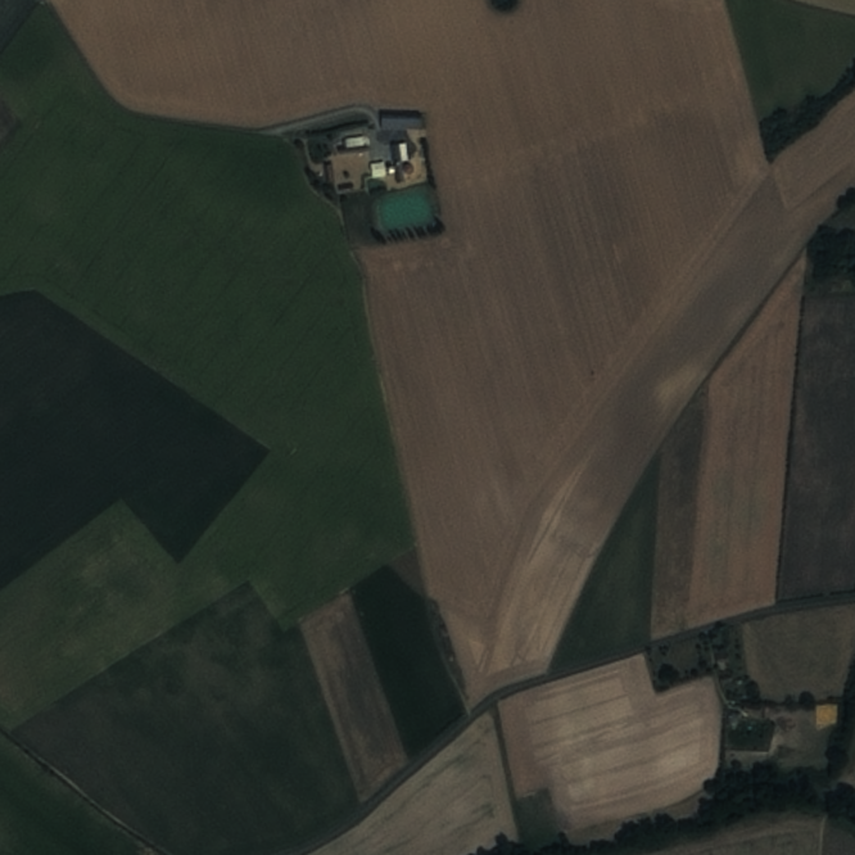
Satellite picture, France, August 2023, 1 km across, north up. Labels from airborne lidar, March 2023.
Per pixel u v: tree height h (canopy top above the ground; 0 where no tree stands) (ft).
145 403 0
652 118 0
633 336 0
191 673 0
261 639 0
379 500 0
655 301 0
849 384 0
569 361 0
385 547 0
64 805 0
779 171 0
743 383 0
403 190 0
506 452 0
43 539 0
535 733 0
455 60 0
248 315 0
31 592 0
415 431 0
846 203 43
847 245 43
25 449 0
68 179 0
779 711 0
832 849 0
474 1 0
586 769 0
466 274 0
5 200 0
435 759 0
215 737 0
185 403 0
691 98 0
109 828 0
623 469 0
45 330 0
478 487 0
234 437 0
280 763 0
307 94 0
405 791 0
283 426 0
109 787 0
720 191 0
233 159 0
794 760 0
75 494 0
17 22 0
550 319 0
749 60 0
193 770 0
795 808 0
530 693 0
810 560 0
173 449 0
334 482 0
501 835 0
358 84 0
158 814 0
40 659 0
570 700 0
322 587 0
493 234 0
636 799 0
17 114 0
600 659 0
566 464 0
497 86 0
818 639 0
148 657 0
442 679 0
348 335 0
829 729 0
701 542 0
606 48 0
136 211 0
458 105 0
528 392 0
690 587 0
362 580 0
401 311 0
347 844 0
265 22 0
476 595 0
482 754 0
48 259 0
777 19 0
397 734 0
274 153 0
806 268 0
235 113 0
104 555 0
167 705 0
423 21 0
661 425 0
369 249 0
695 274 0
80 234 0
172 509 0
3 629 0
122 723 0
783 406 0
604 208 0
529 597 0
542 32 0
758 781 46
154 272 0
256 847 0
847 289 0
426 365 0
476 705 0
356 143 0
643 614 0
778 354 0
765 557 0
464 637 0
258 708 0
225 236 0
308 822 0
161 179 0
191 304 0
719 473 0
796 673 0
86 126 0
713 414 0
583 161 0
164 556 0
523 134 0
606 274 0
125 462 0
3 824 0
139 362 0
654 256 0
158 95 0
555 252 0
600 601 0
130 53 0
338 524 0
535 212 0
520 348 0
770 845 0
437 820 0
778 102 0
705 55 0
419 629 0
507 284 0
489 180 0
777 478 0
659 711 0
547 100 0
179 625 0
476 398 0
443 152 0
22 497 0
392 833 0
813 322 0
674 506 0
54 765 0
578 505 0
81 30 0
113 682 0
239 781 0
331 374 0
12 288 0
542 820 0
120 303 0
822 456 0
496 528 0
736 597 0
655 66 0
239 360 0
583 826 0
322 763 0
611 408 0
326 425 0
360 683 0
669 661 0
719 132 0
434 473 0
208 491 0
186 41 0
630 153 0
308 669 0
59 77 0
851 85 22
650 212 0
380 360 0
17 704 0
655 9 0
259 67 0
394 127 0
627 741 0
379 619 0
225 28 0
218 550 0
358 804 0
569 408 0
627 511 0
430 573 0
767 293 0
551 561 0
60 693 0
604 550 0
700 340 0
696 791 0
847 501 0
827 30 0
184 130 0
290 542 0
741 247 0
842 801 65
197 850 0
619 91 0
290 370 0
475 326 0
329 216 0
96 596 0
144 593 0
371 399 0
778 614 0
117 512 0
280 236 0
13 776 0
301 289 0
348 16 0
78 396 0
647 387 0
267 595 0
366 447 0
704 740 0
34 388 0
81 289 0
